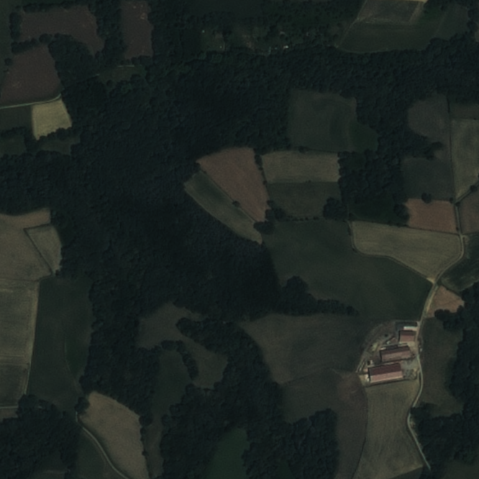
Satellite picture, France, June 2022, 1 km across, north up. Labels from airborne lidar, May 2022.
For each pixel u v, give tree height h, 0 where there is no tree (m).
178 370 0
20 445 28
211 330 21
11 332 0
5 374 0
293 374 0
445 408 0
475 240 0
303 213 0
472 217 0
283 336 0
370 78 18
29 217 0
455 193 0
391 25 0
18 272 0
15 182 31
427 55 23
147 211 20
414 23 0
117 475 0
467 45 18
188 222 19
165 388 0
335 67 22
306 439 24
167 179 16
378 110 24
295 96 0
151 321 0
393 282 0
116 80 0
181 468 28
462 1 25
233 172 0
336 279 0
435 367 0
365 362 0
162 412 0
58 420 19
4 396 0
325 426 19
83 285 0
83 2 15
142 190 14
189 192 0
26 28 0
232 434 0
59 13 0
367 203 8
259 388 20
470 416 10
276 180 0
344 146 0
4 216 0
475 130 0
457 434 23
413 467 0
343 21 0
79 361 0
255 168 0
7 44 0
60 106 0
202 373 0
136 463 0
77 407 13
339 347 0
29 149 16
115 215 23
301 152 12
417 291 0
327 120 0
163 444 12
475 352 28
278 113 19
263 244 9
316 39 6
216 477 0
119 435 0
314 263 0
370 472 0
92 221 25
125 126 23
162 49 22
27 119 0
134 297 25
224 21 23
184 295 20
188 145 19
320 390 0
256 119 19
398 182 21
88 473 0
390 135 24
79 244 15
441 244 0
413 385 0
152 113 24
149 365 21
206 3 0
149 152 21
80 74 21
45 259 0
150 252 21
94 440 0
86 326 0
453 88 14
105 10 23
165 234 22
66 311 0
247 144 13
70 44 17
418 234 0
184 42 14
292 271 0
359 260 0
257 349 17
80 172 19
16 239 0
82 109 20
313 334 0
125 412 0
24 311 0
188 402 15
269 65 16
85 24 0
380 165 24
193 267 22
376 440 0
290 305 25
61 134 27
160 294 24
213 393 20
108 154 19
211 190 0
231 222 0
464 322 29
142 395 20
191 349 0
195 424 28
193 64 20
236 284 19
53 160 26
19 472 19
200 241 15
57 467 0
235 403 27
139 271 26
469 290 9
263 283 21
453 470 0
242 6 0
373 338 0
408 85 17
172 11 21
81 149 17
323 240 0
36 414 22
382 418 0
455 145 0
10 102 0
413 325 0
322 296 0
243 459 11
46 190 16
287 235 0
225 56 22
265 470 18
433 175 0
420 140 21
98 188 25
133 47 0
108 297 30
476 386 23
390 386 0
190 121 26
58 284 0
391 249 0
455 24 0
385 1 0
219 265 15
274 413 21
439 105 0
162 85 24
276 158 0
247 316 21
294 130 0
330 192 0
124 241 29
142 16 0
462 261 0
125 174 17
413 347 0
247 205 0
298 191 0
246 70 18
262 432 25
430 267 0
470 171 0
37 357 0
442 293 0
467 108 0
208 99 24
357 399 0
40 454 20
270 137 14
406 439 0
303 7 8
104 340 22
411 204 0
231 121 21
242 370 31
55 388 0
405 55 19
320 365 0
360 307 0
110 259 23
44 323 0
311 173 0
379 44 0
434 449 21
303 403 0
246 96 21
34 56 0
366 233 0
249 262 20
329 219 16
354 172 14
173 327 0
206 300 29
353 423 0
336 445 23
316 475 16
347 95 21
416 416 15
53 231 0
